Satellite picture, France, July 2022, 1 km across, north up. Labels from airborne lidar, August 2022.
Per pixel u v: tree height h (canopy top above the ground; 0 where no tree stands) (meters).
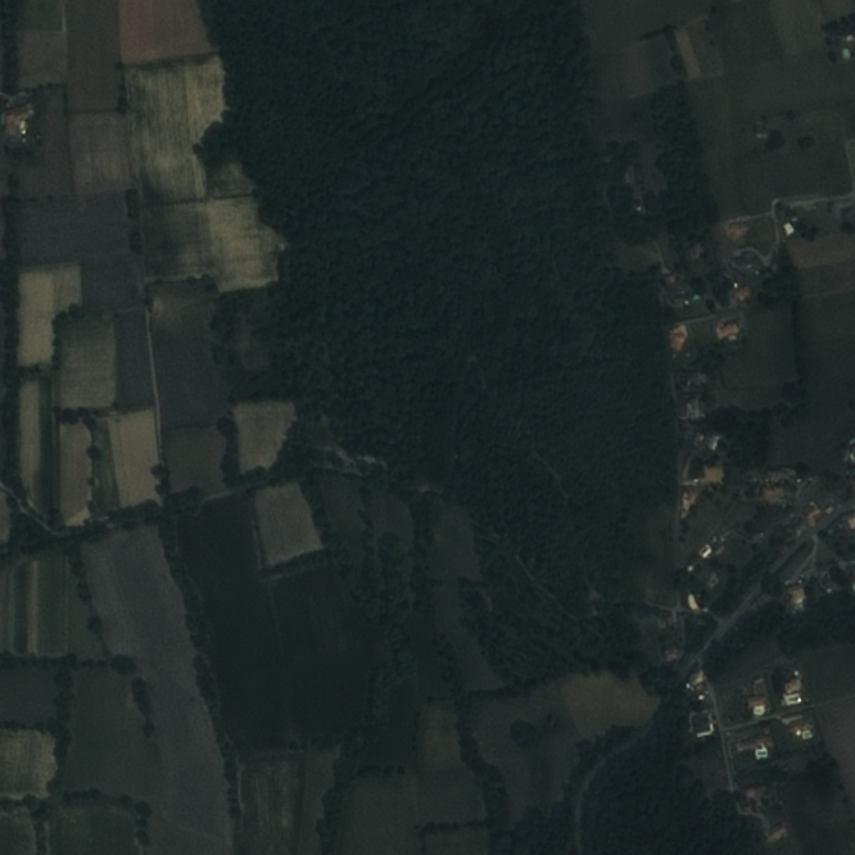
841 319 0
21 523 13
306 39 17
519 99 8
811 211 0
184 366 0
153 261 0
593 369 18
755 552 11
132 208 15
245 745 0
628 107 0
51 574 0
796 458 0
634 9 0
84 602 11
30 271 0
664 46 0
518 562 0
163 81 0
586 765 13
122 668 18
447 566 0
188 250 0
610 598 17
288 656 0
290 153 20
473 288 23
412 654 16
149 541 0
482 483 26
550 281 26
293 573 12
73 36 0
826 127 0
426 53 26
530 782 0
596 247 17
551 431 21
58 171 0
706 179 17
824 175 0
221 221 0
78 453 0
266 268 0
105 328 0
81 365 0
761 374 0
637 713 0
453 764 0
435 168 28
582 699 0
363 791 0
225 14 24
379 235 31
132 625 0
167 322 0
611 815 28
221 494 0
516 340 21
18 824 0
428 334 27
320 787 0
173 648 0
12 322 13
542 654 27
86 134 0
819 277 0
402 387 29
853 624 24
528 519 22
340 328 32
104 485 0
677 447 18
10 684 0
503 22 18
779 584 19
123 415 0
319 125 22
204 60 0
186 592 15
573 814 25
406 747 0
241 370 0
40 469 0
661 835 29
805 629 24
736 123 0
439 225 23
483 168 26
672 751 20
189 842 0
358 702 0
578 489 23
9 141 0
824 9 0
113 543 0
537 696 0
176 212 0
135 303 0
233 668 0
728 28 0
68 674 12
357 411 32
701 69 0
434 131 24
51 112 0
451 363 29
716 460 13
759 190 0
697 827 23
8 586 0
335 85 20
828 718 0
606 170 18
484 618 30
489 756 0
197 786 0
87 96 0
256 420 0
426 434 21
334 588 0
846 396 0
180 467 0
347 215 34
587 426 19
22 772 0
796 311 12
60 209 0
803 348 12
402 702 0
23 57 0
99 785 0
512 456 22
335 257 15
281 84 20
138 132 0
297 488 0
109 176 0
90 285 0
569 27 10
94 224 0
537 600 27
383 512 0
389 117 12
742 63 0
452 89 9
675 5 0
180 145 0
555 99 22
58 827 0
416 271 34
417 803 0
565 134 12
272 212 15
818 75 0
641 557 0
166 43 0
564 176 18
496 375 18
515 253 19
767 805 16
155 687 0
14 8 14
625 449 15
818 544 0
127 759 0
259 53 23
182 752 0
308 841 0
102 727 0
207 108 0
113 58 0
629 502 19
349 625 0
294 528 0
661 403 17
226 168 0
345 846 0
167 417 0
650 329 20
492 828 16
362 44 9
